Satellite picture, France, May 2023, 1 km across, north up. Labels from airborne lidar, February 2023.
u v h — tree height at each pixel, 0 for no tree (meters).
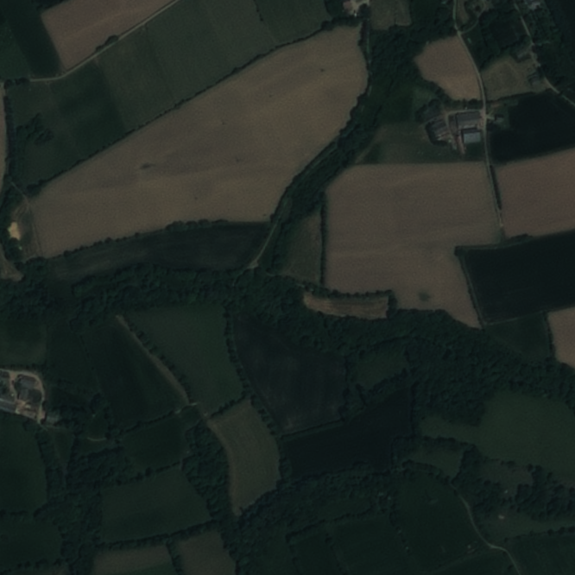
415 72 13
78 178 0
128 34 0
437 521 0
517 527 0
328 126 0
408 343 16
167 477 0
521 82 0
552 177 0
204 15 0
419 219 0
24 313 7
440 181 0
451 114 0
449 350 9
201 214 0
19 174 11
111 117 0
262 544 16
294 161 0
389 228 0
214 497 17
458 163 0
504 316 0
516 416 0
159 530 0
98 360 0
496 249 0
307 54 0
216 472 18
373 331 19
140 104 0
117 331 0
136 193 0
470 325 0
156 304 20
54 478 17
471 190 0
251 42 0
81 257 0
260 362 0
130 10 0
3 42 0
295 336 10
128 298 20
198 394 0
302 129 0
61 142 0
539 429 0
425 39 8
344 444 0
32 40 0
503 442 0
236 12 0
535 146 0
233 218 0
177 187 0
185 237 0
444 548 0
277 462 0
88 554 18
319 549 0
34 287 8
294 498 20
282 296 6
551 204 0
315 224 0
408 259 0
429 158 0
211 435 11
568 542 0
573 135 0
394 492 9
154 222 0
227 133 0
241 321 0
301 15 0
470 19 0
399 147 0
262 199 0
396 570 0
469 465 15
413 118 0
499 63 0
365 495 12
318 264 0
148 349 12
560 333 0
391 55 7
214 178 0
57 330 0
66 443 0
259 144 0
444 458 0
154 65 0
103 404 17
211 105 0
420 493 0
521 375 15
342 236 0
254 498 0
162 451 0
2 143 0
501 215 0
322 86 0
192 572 0
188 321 0
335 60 0
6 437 0
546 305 0
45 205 0
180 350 0
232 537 23
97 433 0
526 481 0
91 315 15
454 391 18
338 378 0
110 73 0
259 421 0
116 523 0
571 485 0
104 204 0
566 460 0
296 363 0
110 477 13
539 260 0
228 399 0
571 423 0
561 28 19
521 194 0
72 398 0
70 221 0
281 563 0
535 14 10
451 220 0
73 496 21
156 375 0
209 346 0
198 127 0
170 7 0
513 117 0
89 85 0
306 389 0
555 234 0
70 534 20
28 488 0
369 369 0
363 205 0
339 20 13
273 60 0
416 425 12
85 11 0
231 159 0
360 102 12
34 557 0
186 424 0
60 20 0
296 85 0
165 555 0
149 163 0
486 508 10
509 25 0
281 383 0
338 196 0
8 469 0
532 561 0
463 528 0
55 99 0
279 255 9
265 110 0
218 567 0
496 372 9
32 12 0
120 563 0
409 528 0
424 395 17
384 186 0
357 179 0
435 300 0
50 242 0
